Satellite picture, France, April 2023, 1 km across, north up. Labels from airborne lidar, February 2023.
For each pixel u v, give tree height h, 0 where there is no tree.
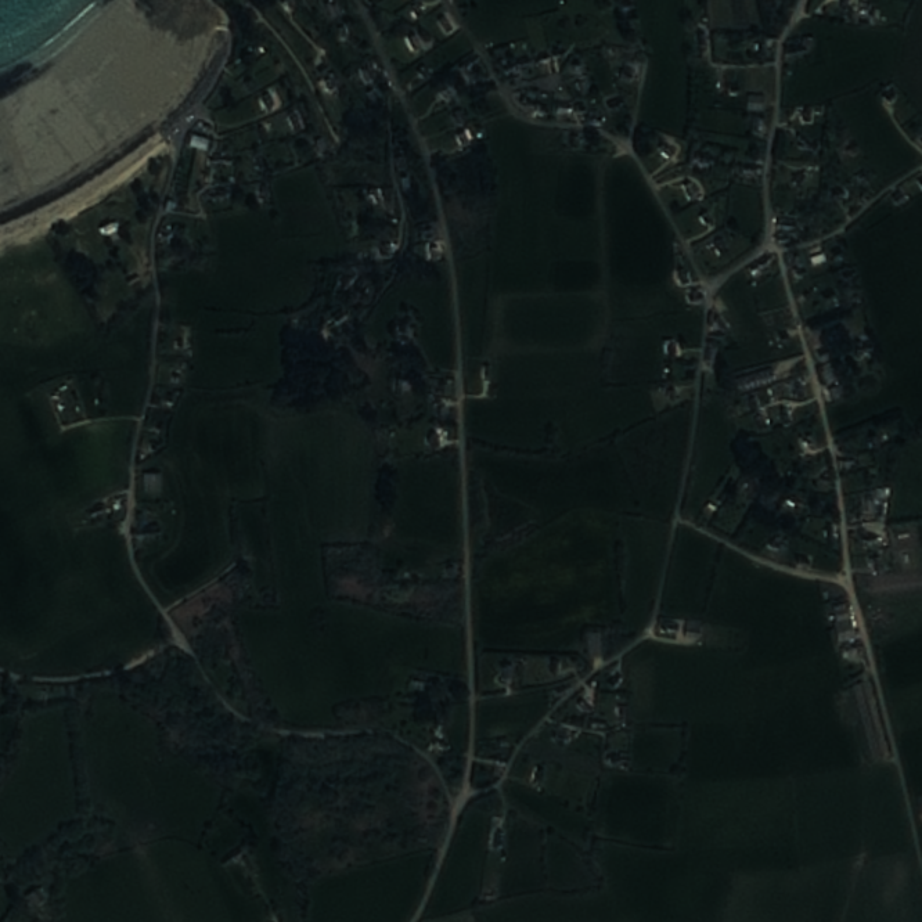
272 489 0
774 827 0
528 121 0
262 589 0
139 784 0
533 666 0
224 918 0
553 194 0
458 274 0
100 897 0
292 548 0
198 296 0
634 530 0
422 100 0
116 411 0
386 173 0
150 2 0
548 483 0
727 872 0
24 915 10
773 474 21
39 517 0
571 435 0
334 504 0
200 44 0
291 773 7
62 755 0
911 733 0
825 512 9
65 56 0
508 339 0
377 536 0
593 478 0
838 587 0
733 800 0
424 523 0
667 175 0
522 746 0
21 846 0
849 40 0
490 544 7
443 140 0
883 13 0
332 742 7
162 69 0
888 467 6
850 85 0
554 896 0
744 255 0
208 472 0
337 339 6
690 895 0
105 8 0
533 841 0
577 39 0
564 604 0
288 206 0
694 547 0
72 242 0
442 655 0
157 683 6
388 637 0
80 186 0
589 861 7
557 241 0
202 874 0
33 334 0
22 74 0
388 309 0
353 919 0
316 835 0
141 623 0
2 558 0
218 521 0
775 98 0
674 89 0
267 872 0
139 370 0
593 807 8
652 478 0
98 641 0
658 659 0
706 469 0
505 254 0
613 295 0
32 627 0
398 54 0
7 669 0
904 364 0
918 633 0
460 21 0
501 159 0
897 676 0
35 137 0
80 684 6
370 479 0
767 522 20
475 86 12
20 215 0
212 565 0
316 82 0
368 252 0
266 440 0
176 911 0
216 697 9
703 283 0
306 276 0
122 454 0
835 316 11
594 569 0
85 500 0
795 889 0
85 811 11
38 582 0
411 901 0
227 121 0
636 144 9
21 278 0
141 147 0
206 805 0
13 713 8
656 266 0
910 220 0
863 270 0
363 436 0
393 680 0
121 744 0
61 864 11
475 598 0
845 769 0
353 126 21
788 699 0
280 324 0
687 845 0
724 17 0
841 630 0
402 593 10
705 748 0
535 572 0
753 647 0
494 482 0
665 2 0
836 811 0
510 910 0
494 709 0
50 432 0
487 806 7
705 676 0
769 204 0
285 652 0
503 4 0
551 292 0
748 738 0
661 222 0
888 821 0
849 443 9
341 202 9
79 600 0
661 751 0
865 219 0
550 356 0
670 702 0
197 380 0
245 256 0
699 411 0
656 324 0
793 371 6
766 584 0
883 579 0
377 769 8
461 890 0
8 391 0
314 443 0
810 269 0
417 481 0
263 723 8
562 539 0
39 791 0
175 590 0
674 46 0
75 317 0
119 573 0
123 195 0
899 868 0
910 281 0
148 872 0
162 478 0
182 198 5
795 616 0
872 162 0
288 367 19
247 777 6
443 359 0
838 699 0
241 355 0
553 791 0
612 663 0
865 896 0
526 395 0
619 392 0
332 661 0
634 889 0
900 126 0
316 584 0
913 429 8
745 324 0
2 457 0
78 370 0
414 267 8
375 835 8
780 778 0
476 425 0
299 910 13
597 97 7
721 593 0
